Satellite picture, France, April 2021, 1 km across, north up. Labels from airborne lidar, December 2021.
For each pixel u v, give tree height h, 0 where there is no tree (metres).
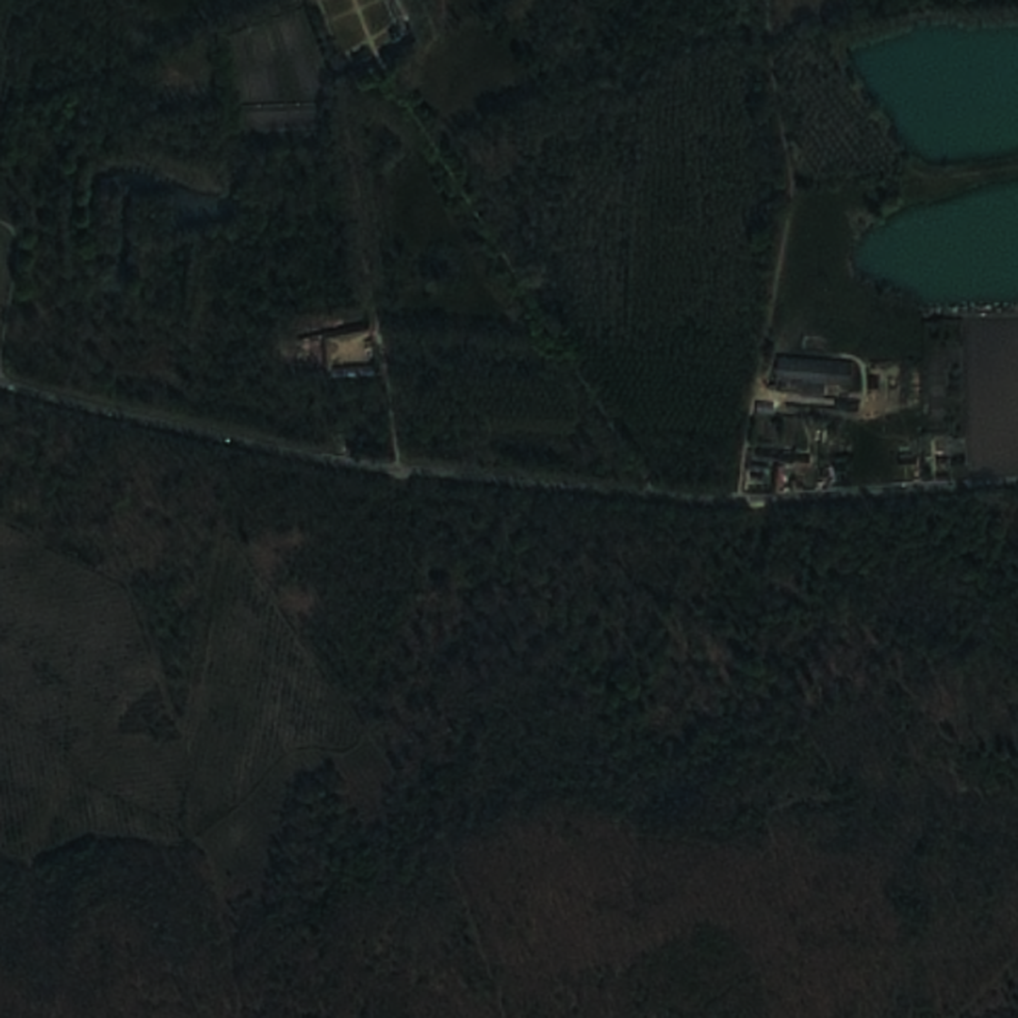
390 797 13
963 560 20
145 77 19
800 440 0
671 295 27
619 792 12
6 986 12
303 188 33
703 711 0
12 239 0
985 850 13
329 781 12
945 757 12
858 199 0
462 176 26
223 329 25
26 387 0
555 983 8
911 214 0
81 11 9
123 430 14
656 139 27
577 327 19
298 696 0
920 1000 17
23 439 21
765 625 19
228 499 17
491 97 0
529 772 19
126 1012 13
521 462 29
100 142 30
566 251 18
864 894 13
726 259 25
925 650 18
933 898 11
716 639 24
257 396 12
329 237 30
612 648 27
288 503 16
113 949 10
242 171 15
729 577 10
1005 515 27
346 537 13
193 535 20
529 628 32
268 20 25
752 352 26
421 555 18
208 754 0
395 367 31
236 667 0
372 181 23
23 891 14
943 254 0
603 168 20
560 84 25
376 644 11
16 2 21
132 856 13
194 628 18
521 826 11
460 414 31
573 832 13
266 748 0
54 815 0
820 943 8
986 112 0
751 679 28
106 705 0
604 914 13
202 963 11
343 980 10
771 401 0
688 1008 13
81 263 16
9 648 0
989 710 0
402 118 28
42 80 16
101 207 21
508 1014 11
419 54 26
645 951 12
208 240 28
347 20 0
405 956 8
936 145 0
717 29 12
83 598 0
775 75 7
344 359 0
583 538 21
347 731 0
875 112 15
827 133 23
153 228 15
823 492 0
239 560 0
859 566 17
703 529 25
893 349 0
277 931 7
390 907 9
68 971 10
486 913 11
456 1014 10
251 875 0
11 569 0
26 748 0
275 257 18
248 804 0
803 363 0
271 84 0
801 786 7
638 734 17
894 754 21
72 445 17
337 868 7
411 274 12
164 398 23
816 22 22
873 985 16
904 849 13
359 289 29
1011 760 8
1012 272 0
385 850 9
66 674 0
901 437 0
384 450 18
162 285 9
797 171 0
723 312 25
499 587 31
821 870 15
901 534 25
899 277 0
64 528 22
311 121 0
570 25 23
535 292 27
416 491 13
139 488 15
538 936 11
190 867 16
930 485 0
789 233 0
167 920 13
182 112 34
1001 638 24
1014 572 25
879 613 13
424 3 28
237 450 10
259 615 0
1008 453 0
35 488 19
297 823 9
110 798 0
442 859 9
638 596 21
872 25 34
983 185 0
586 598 24
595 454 23
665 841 12
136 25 22
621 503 14
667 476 23
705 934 10
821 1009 12
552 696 7
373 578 15
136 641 0
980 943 14
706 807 17
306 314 18
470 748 13
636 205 28
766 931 14
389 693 24
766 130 20
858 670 14
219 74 20
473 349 25
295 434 15
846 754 16
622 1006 12
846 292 0
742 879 11
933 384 0
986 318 0
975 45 0
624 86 10
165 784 0
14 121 28
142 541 21
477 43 0
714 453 20
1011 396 0
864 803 17
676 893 11
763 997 9
